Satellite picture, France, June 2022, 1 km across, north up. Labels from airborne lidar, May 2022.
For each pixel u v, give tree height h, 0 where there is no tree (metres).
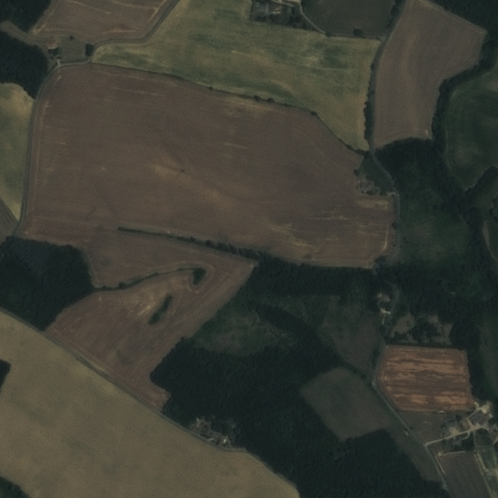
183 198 0
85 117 0
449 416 0
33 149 0
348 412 0
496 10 6
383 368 0
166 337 0
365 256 0
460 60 0
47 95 0
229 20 0
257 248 0
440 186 9
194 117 0
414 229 0
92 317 0
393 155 12
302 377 9
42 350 0
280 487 0
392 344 7
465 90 0
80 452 0
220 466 0
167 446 0
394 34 0
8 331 0
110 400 0
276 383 11
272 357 11
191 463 0
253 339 0
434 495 15
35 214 0
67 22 0
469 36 0
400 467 10
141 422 0
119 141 0
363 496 19
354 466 16
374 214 0
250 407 14
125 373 0
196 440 0
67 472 0
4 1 18
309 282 18
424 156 10
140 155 0
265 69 0
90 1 0
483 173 0
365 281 8
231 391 23
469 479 0
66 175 0
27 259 22
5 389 0
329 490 14
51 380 0
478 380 23
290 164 0
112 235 0
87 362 0
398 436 0
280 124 0
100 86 0
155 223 0
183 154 0
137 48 0
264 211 0
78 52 0
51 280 23
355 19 0
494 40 7
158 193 0
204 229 0
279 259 12
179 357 17
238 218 0
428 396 0
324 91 0
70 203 0
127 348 0
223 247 29
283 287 22
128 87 0
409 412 0
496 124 0
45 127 0
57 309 13
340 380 0
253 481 0
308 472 18
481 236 24
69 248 15
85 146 0
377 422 0
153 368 0
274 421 18
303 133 0
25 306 11
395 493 19
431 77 0
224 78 0
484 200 0
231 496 0
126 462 0
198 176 0
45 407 0
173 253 0
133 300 0
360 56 0
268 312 17
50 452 0
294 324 16
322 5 0
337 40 0
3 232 0
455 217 7
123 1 0
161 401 0
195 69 0
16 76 12
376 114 0
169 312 0
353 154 0
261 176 0
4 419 0
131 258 0
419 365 0
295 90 0
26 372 0
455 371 0
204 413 10
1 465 0
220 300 0
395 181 8
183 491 0
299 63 0
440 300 24
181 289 0
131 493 0
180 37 0
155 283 0
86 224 0
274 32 0
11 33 0
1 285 6
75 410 0
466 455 0
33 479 0
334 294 10
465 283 8
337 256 0
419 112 0
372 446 18
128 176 0
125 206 0
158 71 0
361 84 0
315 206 0
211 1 0
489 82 0
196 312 0
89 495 0
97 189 0
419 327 11
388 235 0
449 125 0
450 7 25
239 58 0
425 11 0
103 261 0
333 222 0
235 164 0
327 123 0
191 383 19
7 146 0
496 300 15
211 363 18
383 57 0
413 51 0
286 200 0
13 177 0
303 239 0
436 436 0
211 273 0
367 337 0
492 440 0
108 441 0
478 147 0
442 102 15
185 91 0
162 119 0
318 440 13
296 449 16
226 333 0
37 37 0
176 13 0
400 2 17
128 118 0
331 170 0
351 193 0
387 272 10
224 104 0
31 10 17
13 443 0
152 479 0
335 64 0
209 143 0
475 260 7
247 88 0
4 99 0
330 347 6
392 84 0
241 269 0
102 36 0
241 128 0
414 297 6
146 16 0
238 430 10
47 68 16
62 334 0
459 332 16
